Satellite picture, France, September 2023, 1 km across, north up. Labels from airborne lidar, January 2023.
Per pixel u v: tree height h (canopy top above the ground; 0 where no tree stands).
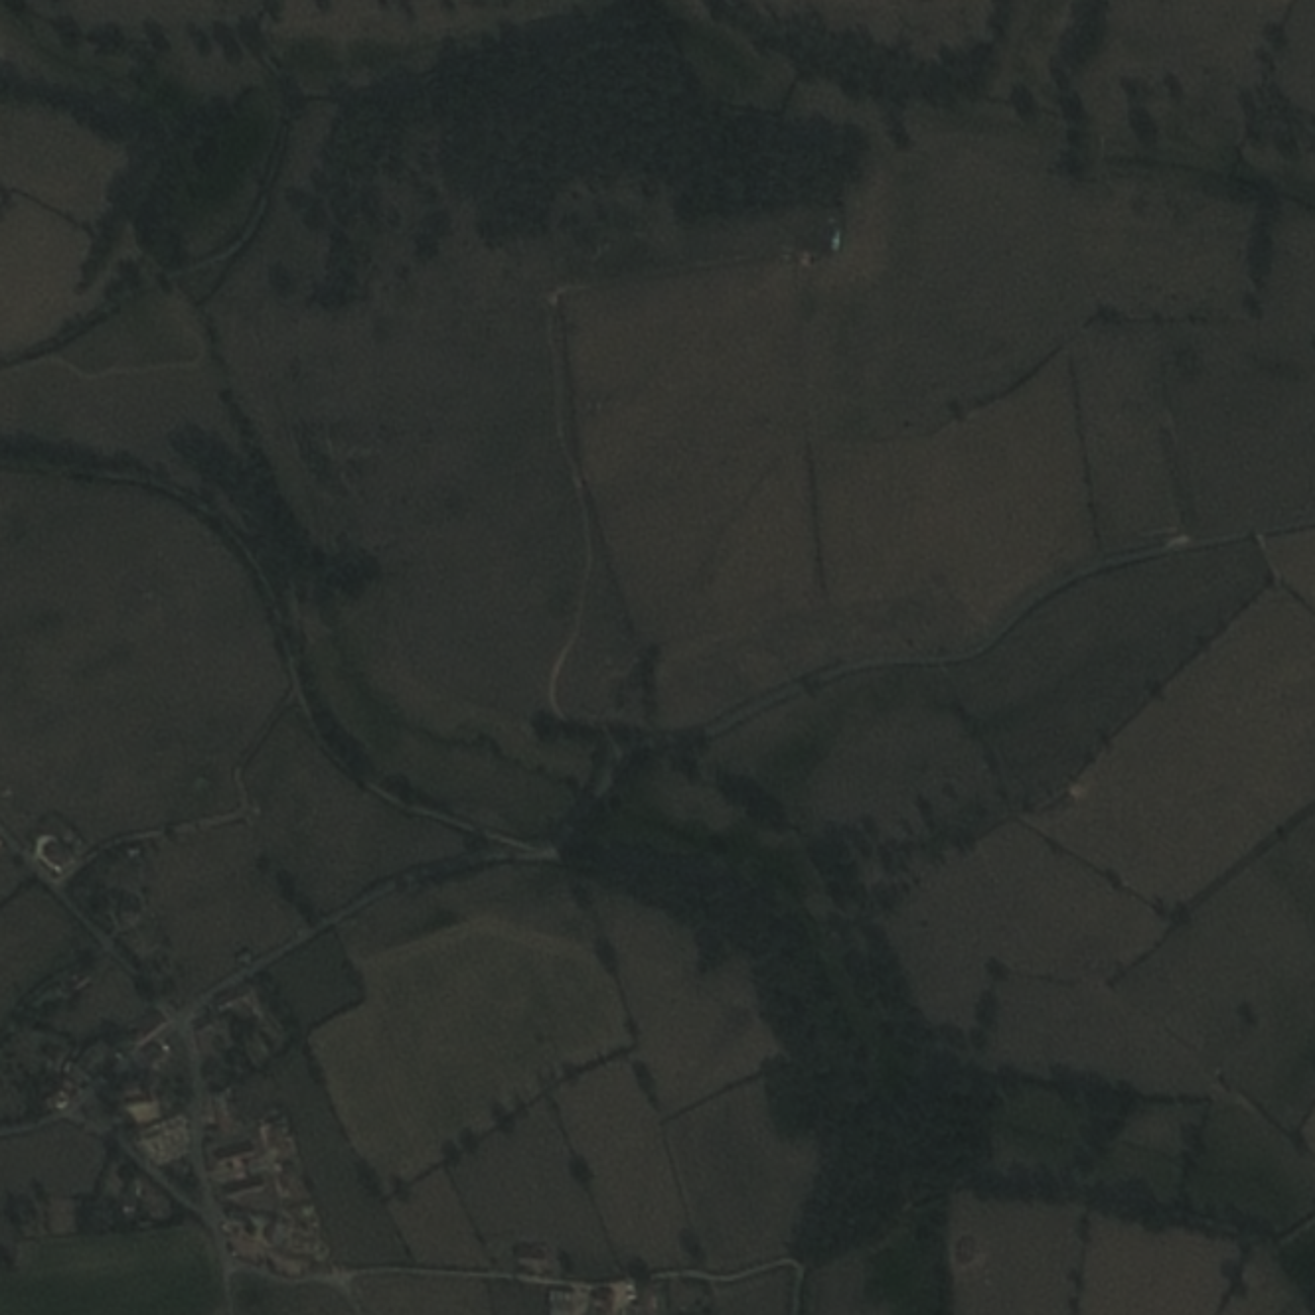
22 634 0
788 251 0
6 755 0
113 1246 0
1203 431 0
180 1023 0
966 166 0
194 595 0
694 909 20
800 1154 0
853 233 0
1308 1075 0
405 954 0
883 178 0
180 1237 0
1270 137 10
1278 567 0
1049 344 0
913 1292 0
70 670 0
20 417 0
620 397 0
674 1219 0
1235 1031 0
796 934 23
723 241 0
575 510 0
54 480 0
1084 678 0
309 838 0
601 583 0
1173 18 0
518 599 0
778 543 0
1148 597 0
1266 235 18
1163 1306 0
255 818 0
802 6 0
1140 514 0
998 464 0
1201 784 0
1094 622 0
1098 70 0
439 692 0
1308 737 0
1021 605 0
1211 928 0
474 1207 0
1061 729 0
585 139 12
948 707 0
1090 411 0
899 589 0
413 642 0
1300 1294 0
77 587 0
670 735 0
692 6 0
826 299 0
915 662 0
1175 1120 0
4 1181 0
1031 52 0
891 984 19
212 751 0
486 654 0
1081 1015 0
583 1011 0
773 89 0
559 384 0
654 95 15
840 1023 12
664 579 0
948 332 0
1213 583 0
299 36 0
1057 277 0
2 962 0
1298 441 0
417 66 0
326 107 0
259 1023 7
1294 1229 0
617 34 18
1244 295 0
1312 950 0
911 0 0
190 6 0
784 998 14
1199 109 0
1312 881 0
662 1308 0
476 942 0
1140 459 0
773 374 0
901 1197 12
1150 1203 23
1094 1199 12
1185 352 0
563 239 0
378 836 0
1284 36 10
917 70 10
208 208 0
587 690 0
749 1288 0
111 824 0
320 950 0
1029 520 0
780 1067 11
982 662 0
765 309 0
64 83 0
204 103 0
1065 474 0
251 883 0
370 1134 0
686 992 0
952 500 0
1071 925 0
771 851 0
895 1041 8
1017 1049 0
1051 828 0
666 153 15
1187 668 0
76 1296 0
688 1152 0
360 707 0
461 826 0
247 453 7
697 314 0
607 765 9
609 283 0
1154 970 0
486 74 7
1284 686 0
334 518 0
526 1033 0
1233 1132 0
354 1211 0
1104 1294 0
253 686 0
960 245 0
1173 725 0
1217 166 0
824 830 0
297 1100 0
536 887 0
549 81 16
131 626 0
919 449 0
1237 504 0
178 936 0
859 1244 11
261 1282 0
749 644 0
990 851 0
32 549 0
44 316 0
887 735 0
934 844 0
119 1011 0
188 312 0
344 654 0
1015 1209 0
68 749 0
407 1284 0
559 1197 0
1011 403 0
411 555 0
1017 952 0
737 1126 0
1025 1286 0
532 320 0
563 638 0
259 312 0
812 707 0
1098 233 0
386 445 0
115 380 0
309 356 0
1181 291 0
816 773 0
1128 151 0
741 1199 0
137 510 0
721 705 0
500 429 0
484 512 0
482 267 0
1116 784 0
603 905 0
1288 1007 0
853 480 0
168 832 8
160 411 0
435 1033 0
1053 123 0
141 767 0
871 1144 12
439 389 0
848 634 0
